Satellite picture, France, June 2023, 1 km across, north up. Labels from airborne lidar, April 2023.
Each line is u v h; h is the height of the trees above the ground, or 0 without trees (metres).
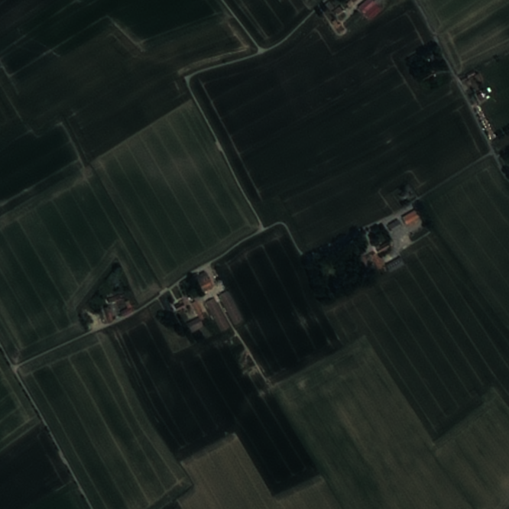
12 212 0
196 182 0
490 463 0
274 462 0
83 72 0
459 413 0
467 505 0
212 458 0
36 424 0
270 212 0
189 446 0
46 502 0
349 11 0
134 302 0
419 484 0
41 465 0
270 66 0
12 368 0
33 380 0
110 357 0
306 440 0
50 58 0
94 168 0
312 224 0
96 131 0
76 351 0
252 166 0
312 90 0
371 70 0
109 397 0
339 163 0
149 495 0
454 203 0
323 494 0
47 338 0
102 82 0
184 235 0
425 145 0
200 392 0
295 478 0
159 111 0
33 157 0
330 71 0
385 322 0
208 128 0
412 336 0
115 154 0
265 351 0
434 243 0
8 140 0
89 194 0
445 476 0
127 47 0
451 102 0
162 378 0
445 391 0
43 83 0
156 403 0
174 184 0
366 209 0
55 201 0
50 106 0
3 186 0
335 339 0
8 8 0
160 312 6
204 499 0
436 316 0
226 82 0
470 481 0
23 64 0
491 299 0
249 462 0
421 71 16
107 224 0
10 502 0
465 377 0
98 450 0
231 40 0
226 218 0
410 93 0
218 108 0
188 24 0
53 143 0
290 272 0
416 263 0
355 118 0
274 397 0
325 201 0
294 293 0
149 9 0
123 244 0
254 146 0
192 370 0
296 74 0
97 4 0
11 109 0
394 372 0
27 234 0
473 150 0
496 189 0
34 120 0
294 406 0
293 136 0
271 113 0
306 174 0
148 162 0
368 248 0
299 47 0
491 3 0
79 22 0
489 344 0
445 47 0
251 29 0
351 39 0
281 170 0
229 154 0
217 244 0
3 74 0
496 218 0
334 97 0
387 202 0
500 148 0
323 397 0
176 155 0
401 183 0
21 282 0
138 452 0
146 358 0
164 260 0
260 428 0
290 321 0
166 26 0
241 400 0
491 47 0
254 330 0
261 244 0
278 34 0
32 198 0
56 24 0
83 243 0
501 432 0
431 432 0
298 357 0
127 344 0
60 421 0
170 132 0
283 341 0
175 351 0
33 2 0
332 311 0
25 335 0
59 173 0
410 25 0
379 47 0
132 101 0
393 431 0
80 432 0
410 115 0
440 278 0
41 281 0
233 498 0
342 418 0
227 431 0
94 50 0
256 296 0
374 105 0
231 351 0
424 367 0
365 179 0
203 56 0
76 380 0
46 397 0
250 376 0
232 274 0
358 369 0
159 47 0
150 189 0
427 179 0
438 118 0
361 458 0
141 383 0
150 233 0
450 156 0
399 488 0
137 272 0
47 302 0
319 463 0
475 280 0
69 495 0
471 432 0
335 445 0
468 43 0
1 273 0
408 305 0
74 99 0
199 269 0
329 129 0
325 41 0
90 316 0
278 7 0
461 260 0
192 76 0
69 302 0
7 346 0
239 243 0
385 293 0
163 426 0
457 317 0
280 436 0
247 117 0
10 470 0
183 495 0
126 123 0
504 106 0
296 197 0
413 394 0
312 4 0
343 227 0
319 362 0
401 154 0
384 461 0
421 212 25
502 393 0
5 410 0
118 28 0
